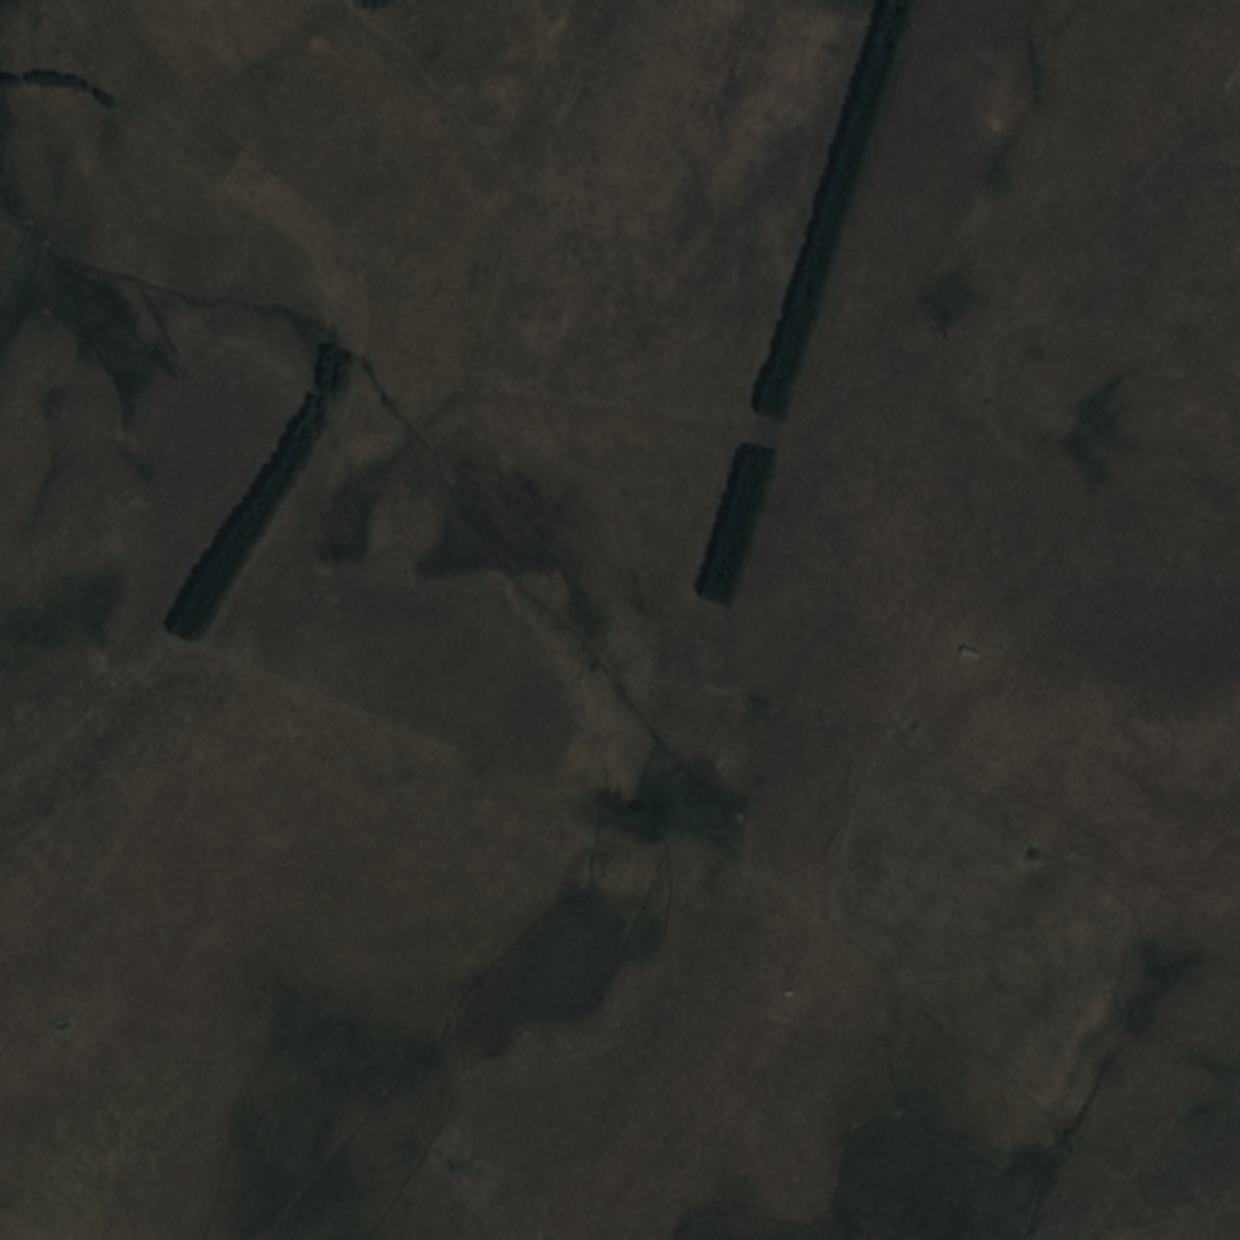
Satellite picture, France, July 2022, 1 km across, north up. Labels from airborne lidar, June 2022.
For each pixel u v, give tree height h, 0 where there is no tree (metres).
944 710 0
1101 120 0
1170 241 0
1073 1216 0
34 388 0
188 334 0
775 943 0
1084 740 0
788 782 0
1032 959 0
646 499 0
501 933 0
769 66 0
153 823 0
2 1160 0
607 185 0
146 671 0
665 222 0
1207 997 0
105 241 0
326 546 0
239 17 0
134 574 0
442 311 0
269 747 0
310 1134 0
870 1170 0
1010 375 0
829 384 0
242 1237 0
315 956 0
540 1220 0
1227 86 0
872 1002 0
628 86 0
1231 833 0
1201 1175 0
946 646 0
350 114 0
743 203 0
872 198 0
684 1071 0
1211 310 0
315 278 0
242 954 0
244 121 0
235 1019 0
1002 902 0
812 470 0
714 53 0
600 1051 0
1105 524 0
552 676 0
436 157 0
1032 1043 0
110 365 0
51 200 0
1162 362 0
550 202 0
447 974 0
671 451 0
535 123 0
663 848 0
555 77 0
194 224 0
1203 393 0
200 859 0
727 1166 0
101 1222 0
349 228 0
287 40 0
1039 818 0
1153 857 0
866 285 0
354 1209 0
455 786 0
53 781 0
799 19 0
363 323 0
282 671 0
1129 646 0
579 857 0
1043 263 0
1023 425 0
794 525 0
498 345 0
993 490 0
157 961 0
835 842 0
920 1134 0
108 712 0
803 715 0
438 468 0
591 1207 0
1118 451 0
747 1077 0
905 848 0
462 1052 0
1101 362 0
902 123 0
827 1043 0
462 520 0
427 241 0
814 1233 0
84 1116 0
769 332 0
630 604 0
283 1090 0
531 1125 0
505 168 0
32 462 0
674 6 0
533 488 0
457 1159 0
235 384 0
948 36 0
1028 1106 0
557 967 0
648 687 0
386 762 0
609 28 0
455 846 0
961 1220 0
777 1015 0
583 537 0
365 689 0
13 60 0
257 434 0
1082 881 0
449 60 0
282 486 20
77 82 10
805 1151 0
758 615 0
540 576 0
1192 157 0
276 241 0
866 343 0
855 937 0
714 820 0
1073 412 0
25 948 0
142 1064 0
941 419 0
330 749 0
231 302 0
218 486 0
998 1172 0
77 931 0
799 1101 0
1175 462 0
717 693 0
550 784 0
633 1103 0
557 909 0
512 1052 0
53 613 0
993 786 0
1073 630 0
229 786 0
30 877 0
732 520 22
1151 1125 0
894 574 0
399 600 0
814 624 0
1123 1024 0
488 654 0
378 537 0
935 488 0
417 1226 0
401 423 0
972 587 0
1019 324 0
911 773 0
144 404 0
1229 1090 0
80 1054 0
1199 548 0
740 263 0
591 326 0
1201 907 0
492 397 0
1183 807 0
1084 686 0
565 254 0
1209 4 0
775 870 0
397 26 0
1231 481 0
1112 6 0
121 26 0
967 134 0
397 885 0
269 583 0
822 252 19
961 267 0
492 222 0
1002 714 0
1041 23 0
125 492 0
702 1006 0
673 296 0
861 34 0
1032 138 0
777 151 0
